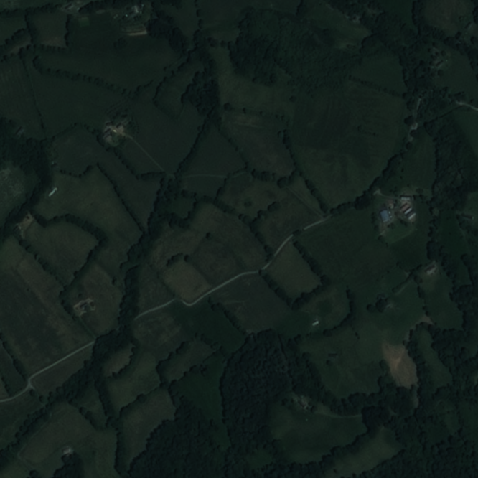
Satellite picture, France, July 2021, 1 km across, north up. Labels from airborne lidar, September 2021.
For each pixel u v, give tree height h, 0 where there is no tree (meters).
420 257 0
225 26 0
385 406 17
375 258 0
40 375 0
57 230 0
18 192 0
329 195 0
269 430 19
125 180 0
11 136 17
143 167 0
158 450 18
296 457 0
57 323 0
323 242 0
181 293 0
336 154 0
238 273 0
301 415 0
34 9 12
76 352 0
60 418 0
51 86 0
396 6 0
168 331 0
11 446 10
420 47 18
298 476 19
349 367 0
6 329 0
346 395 0
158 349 0
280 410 0
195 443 17
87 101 0
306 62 7
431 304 0
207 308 0
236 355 16
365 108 0
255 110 0
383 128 0
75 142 0
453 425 0
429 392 15
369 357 0
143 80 0
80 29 0
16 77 0
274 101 0
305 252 24
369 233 0
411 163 0
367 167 0
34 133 0
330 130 0
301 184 0
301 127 0
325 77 8
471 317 19
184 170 22
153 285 0
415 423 22
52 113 0
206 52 16
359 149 0
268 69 9
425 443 20
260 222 17
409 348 11
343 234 0
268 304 0
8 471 0
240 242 0
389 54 7
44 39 0
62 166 0
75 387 17
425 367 22
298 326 0
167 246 0
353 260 0
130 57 0
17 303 0
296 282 0
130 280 22
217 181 0
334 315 0
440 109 9
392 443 0
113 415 18
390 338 0
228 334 0
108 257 0
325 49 7
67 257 0
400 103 0
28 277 0
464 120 0
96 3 17
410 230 0
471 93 0
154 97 7
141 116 0
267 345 17
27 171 12
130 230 0
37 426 22
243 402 19
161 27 35
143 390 0
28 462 0
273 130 0
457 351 16
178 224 22
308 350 0
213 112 19
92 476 0
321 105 0
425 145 0
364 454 0
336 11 0
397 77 0
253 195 0
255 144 0
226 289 0
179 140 0
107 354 23
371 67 0
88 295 0
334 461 22
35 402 0
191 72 0
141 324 0
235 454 20
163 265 0
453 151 12
